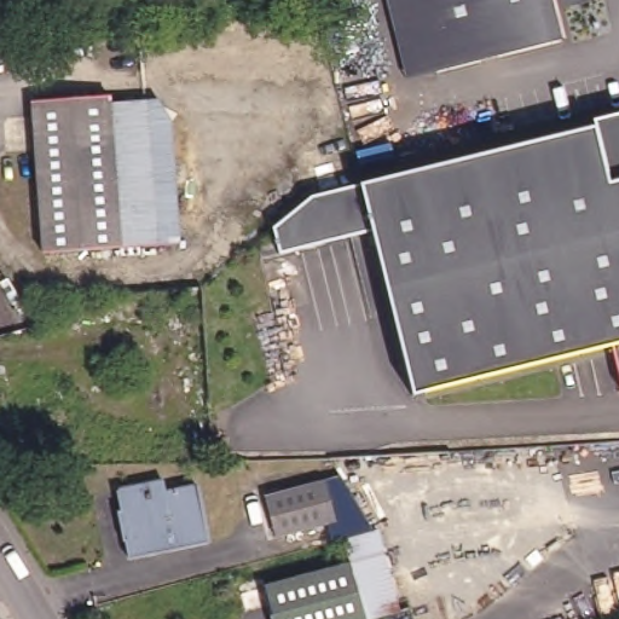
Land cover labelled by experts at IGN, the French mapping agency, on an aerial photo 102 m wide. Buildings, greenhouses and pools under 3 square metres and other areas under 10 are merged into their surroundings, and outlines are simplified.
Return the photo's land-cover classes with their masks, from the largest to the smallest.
<instances>
[{"label":"impervious surface","instance_id":"1","mask_svg":"<svg viewBox=\"0 0 619 619\"><path fill-rule=\"evenodd\" d=\"M566 19V39L559 36L561 44L527 56L501 58L496 53L476 60L445 65L416 77H406L397 68L389 31L377 0H375L368 10L365 22L346 24L348 60H341L343 73L329 70V85L334 87L336 106L346 111L351 109L353 118H348L336 131V135L322 140L319 152L324 155L326 147H334V152L341 157V172L351 184L585 126L592 123V118L600 114L619 111V0H559ZM106 87H102L99 82L68 80H60L51 87H27L24 80L12 77L7 68L0 65V174L5 169H15L22 179H27L31 242L34 247H44L31 102L53 97L104 94ZM261 268L266 273V280L271 283V290L280 297V310L259 317V324L254 326L259 331V343L266 358L271 382L261 387L256 394L215 416L213 426L218 428L220 438L232 450V455H242L244 459L283 462L339 457L336 474L355 493L358 508L368 515L370 527L382 537V546L387 549L389 573L399 600L392 602L387 607V617L380 619H619V372L612 351L556 363L549 370H554L559 377V397L474 401L450 406H430L426 397H413L409 384L372 235L324 244L319 249H307L300 254H278L273 239L266 242L261 251ZM34 326V322L31 317H24V310L17 297L7 300L0 293V339L15 331H27ZM251 525L247 530L235 527V532L225 539L210 537V544L206 546L150 559H128L126 546L109 549L104 544V559L97 561V566H89L85 573L77 575L65 573H60V575H46V573L36 568L31 561H22L27 549L15 522L10 515L0 510V619H111L109 612L97 609L104 602L126 600L177 583H189L218 568L244 566L249 561H259L266 556L276 563L278 556L290 551L280 542H271V530L259 503H249ZM271 583L242 585V604L247 609L242 619H273L271 602L276 600L268 592Z\"/></svg>","mask_w":619,"mask_h":619},{"label":"building","instance_id":"2","mask_svg":"<svg viewBox=\"0 0 619 619\"><path fill-rule=\"evenodd\" d=\"M389 31L397 68L406 77H416L445 65L476 60L496 53L501 58L527 56L561 44L559 36L566 39V19L559 0H377ZM44 247L51 249L53 244L60 247L68 242L75 249H92L97 254L109 251V247H121L123 239L128 247H186V239L179 230V206L174 184V111L164 109L155 99L116 102L114 97L104 94L53 97L31 102ZM372 235L409 384L413 397H426L467 389L496 380H508L534 370H549L556 363L612 351L619 372V111L600 114L592 118V123L585 126L351 184L310 193L273 225V239L278 254H300L307 249H319L324 244ZM271 530V542H280L290 551L297 546L310 549H317L322 544V537L326 542H351V559L343 563L271 583L268 592L276 600L271 602L273 619H380L387 617V607L392 602L399 600L389 573L387 549L382 546V537L370 527L368 515L358 508L355 493L336 474L322 481L261 493L259 503ZM118 520L126 546L128 559H150L206 546L210 544V537L198 484L167 488L164 481H143L118 488Z\"/></svg>","mask_w":619,"mask_h":619},{"label":"pervious surface","instance_id":"3","mask_svg":"<svg viewBox=\"0 0 619 619\"><path fill-rule=\"evenodd\" d=\"M77 63L73 65L68 80L99 82L102 87H106L104 94L114 97L116 102L155 99L164 109L174 111V184L179 206V230L186 239V247H128L123 239L121 247H109V251L97 254L92 249H75L68 242L60 247L53 244L51 249L44 247H34L31 242L27 179H22L15 169H5L0 174V293L7 300L17 297H24L29 285L48 288L58 283L70 285L73 290L109 285L114 290L128 293L160 290L169 297H179L189 288H208L213 283V273L208 268L225 259L235 242L251 239L256 235L261 218L273 225L310 193L351 184L341 172V157L334 152V147H326L324 155L319 152L322 140L336 135V131L348 118H353L351 109L346 111L336 106L334 87L329 85V70L322 63L312 60V46L297 41L280 44L278 39L249 36L244 24L235 22L218 34L213 46L181 48L177 53L152 56L143 63L126 60V56L111 58L106 41H97L87 48L75 51ZM339 457L283 462L244 459L239 467L230 469L222 476L203 474L198 464H177L97 467L94 474L85 476V486L94 498V508L104 544L109 549L126 546L118 520V488L143 481H164L167 488L198 484L210 537L225 539L235 532V527L247 530L251 525L249 503H259L261 493L322 481L336 474Z\"/></svg>","mask_w":619,"mask_h":619},{"label":"herbaceous vegetation","instance_id":"4","mask_svg":"<svg viewBox=\"0 0 619 619\"><path fill-rule=\"evenodd\" d=\"M213 273V283L208 288H189L179 297H169L160 290L128 293L126 302L116 305L114 310H106L104 314H94L87 319H77L73 326L48 331L39 341L31 339L27 331H15L0 339V445L10 442L15 447L27 445L39 450L46 447L51 440H63L75 452L87 455L97 467L177 464L184 450L189 452L191 462H196V447L201 442H218L220 438L218 428L213 426L215 416L256 394L261 387L271 382L266 358L259 343V331L254 326L259 324V317L280 310V297L271 290V283L266 280V273L261 268V251L249 264H227L225 259L208 268ZM118 346H138L143 353L150 355V380L155 382L152 394L133 392L123 399H114L94 384V380L82 365L85 351L89 355H109ZM559 377L554 370H534L508 380H496L467 389L426 397L430 406H450L474 401L559 397ZM27 549L22 561H31L36 568L46 573V571H48V563H58V561H68V559H82V566H77V568H70V571H65V573L77 575L85 573L89 566H97V561L104 559V544L94 508L70 522H56L44 517L36 525L19 520L15 522ZM343 563L341 559L314 556L310 549L297 546L290 551L278 556L276 563L266 556L259 561H249L244 566L218 568L189 583H177L126 600L104 602L97 609L109 612L111 619H242L247 609L242 604V585L271 583Z\"/></svg>","mask_w":619,"mask_h":619},{"label":"deciduous trees","instance_id":"5","mask_svg":"<svg viewBox=\"0 0 619 619\"><path fill-rule=\"evenodd\" d=\"M375 0H0V65L7 68L12 77L24 80L27 87H51L60 80H68L73 65L77 63L75 51L87 48L97 41H106L111 58L126 56V60L143 63L152 56L177 53L181 48L213 46L218 34L235 22L244 24L249 36L278 39L280 44L297 41L312 46V60L322 63L329 70L343 73L341 60H348L346 24L365 22L368 10ZM128 293L114 290L109 285L73 290L70 285L58 283L48 288L29 285L24 297H17L24 310V317H31L34 322V326L27 331L31 339L39 341L48 331L73 326L77 319H87L94 314H104L106 310H114L116 305L126 302ZM82 365L94 380V384L114 399H123L133 392L152 394L155 382L150 380V355L143 353L138 346H118L109 355H89L85 351ZM196 462H191L189 452L184 450L177 464H198L203 474L222 476L230 469L239 467L244 459L242 455H232V450L220 438L218 442H201L196 447ZM97 467L87 455L75 452L63 440H51L46 447L39 450L27 445L15 447L10 442L0 445V510L10 515L15 522L19 520L36 525L44 517L56 522H70L94 508V498L85 486V476L94 474Z\"/></svg>","mask_w":619,"mask_h":619},{"label":"brushwood","instance_id":"6","mask_svg":"<svg viewBox=\"0 0 619 619\"><path fill-rule=\"evenodd\" d=\"M266 242L273 239V225L261 218L256 235L251 239L235 242L225 259L227 264H249L261 251ZM314 556L341 559L343 563L351 559V542H326L322 537V544L317 549H310ZM77 566H82V559H68V561H58V563H48V571H46V575H60V573H65V571H70V568H77Z\"/></svg>","mask_w":619,"mask_h":619}]
</instances>
